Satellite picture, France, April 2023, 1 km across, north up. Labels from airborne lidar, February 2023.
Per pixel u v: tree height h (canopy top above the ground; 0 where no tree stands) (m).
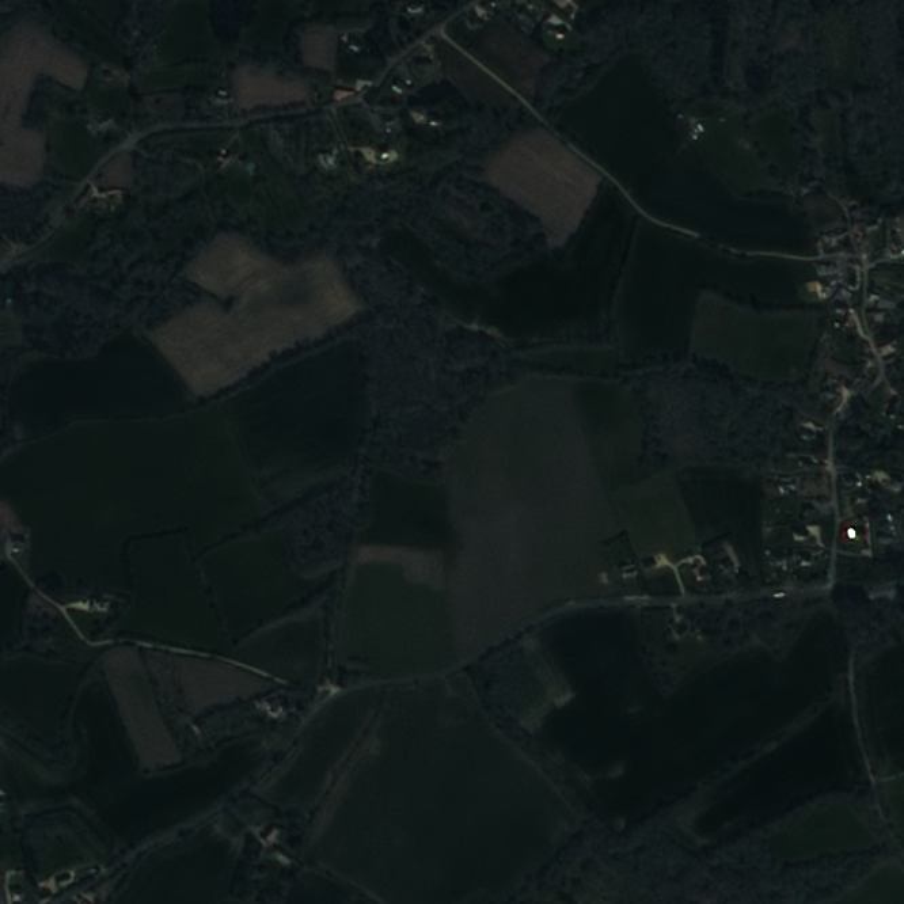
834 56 0
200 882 0
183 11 0
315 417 0
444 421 12
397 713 0
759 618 7
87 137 0
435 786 0
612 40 17
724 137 0
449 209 11
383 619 0
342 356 0
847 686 7
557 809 0
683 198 0
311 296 0
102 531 0
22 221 17
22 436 0
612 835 13
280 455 0
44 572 0
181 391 0
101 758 0
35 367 0
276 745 0
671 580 0
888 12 13
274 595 0
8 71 0
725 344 0
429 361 7
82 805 0
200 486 0
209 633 0
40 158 0
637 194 0
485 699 7
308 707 9
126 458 0
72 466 0
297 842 9
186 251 12
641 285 0
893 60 14
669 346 0
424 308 14
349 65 0
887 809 7
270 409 0
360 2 0
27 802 0
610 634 0
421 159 14
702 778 0
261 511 0
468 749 0
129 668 0
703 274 0
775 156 0
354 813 0
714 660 0
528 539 0
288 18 0
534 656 0
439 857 0
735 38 7
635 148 0
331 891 0
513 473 0
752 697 0
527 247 8
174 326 0
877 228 0
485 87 0
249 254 0
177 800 0
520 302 0
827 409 10
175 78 0
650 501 0
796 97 13
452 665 0
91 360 0
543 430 0
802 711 0
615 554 0
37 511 0
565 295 0
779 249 0
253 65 9
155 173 9
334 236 11
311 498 13
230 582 0
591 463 0
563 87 11
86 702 0
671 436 11
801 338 0
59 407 0
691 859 11
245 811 14
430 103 16
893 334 14
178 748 7
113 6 0
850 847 0
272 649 0
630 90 0
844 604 21
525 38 8
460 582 0
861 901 0
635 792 0
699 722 0
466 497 0
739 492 0
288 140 9
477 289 0
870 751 8
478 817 0
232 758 0
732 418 10
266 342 0
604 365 0
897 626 14
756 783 0
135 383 0
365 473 8
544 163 0
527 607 0
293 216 0
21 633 8
